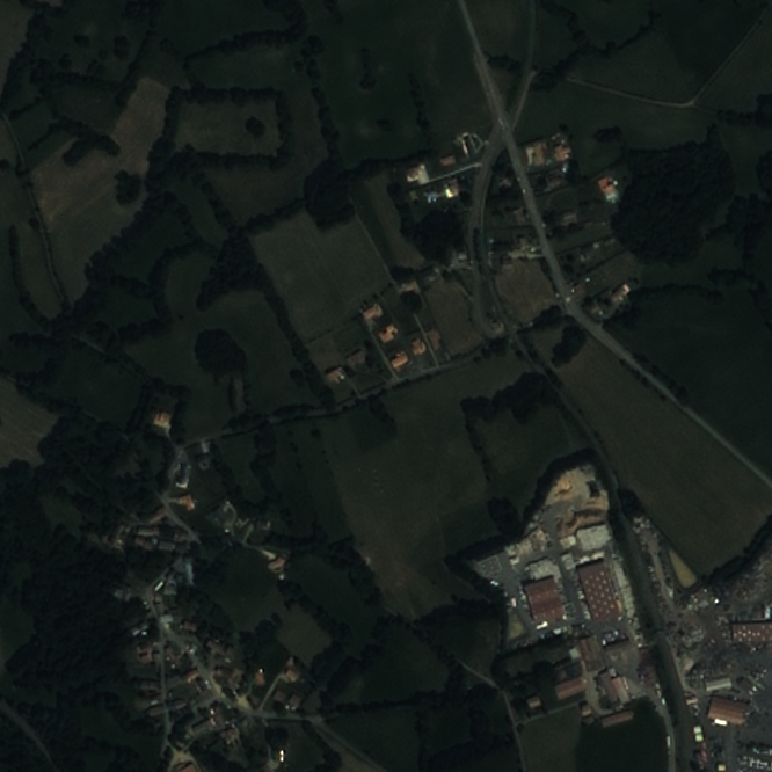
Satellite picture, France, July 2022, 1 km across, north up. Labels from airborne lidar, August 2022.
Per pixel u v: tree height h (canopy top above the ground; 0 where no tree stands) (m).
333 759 20
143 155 0
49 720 19
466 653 0
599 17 0
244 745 10
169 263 8
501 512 19
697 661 0
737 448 0
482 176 0
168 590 0
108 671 26
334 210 23
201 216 0
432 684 0
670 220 19
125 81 6
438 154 12
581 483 0
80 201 0
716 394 0
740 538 0
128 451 14
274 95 14
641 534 0
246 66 0
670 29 0
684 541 0
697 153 21
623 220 18
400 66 0
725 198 16
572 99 0
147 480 19
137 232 20
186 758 0
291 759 0
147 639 7
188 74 8
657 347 0
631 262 0
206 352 27
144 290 15
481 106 0
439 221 24
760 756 0
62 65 11
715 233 13
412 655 0
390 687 0
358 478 0
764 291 27
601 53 9
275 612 0
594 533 0
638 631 0
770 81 0
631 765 0
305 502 0
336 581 0
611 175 0
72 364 0
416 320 0
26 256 0
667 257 20
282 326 15
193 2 0
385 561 0
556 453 0
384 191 0
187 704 8
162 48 10
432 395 0
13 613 0
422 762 15
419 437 0
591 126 0
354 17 0
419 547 0
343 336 0
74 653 17
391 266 0
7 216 0
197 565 10
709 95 0
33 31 16
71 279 0
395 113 0
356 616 0
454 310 0
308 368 15
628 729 0
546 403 19
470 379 0
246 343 0
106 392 0
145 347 0
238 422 15
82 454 22
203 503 0
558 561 0
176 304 0
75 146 9
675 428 0
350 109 0
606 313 0
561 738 0
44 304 0
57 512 0
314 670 16
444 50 0
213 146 0
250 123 13
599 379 0
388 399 0
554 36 0
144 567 23
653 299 15
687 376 0
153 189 20
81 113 0
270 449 12
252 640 22
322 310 0
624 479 0
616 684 0
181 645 0
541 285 0
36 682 20
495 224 0
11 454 0
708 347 0
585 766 0
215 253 8
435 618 17
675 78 0
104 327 18
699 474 0
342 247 0
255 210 0
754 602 0
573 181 20
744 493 0
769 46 0
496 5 0
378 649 18
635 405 0
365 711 15
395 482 0
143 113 0
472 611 20
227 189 0
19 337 15
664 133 0
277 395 0
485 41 0
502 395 17
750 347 0
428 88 0
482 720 26
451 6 0
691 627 0
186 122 0
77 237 0
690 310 0
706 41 0
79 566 18
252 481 0
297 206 7
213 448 15
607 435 0
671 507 0
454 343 0
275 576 0
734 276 17
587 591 0
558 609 0
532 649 11
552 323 17
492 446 0
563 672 0
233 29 0
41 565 26
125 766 23
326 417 6
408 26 0
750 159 0
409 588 0
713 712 0
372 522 0
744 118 12
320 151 0
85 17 0
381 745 0
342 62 0
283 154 16
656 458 0
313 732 14
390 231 0
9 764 17
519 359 11
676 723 6
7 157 0
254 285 15
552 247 0
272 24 0
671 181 13
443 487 0
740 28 0
